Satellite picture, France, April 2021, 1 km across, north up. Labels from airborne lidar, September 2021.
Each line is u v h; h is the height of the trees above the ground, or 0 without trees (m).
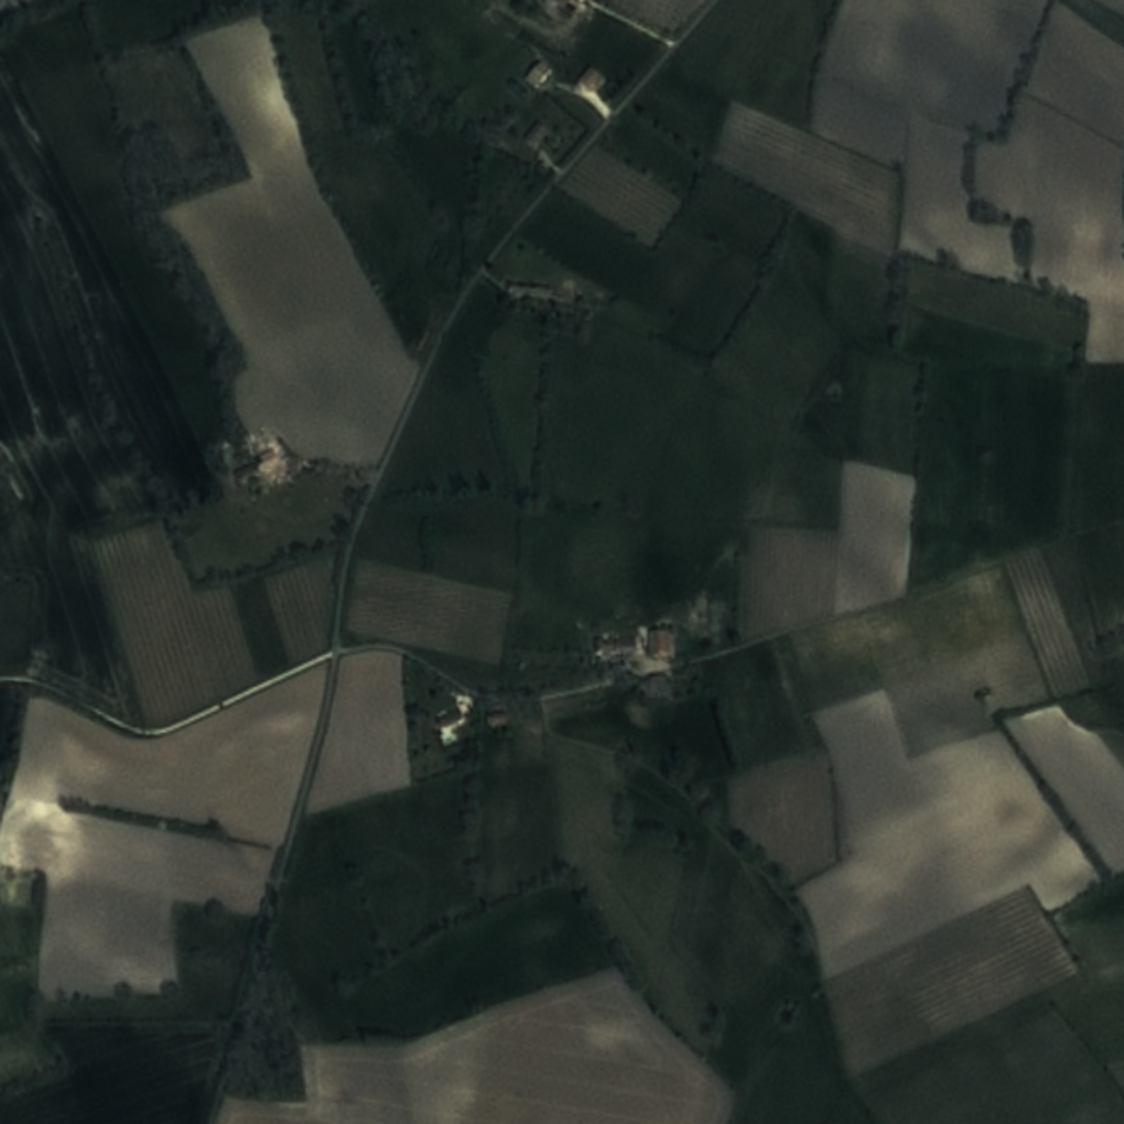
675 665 6
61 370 0
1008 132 13
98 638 0
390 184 0
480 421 0
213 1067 0
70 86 0
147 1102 0
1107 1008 0
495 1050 0
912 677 0
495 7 0
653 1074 0
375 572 0
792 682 0
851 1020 0
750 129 0
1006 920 0
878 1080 0
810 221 0
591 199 0
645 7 0
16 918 0
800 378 0
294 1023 12
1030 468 0
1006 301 0
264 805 0
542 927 0
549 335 6
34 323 0
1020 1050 0
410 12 0
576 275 0
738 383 0
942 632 0
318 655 0
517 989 0
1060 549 0
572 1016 0
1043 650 0
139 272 0
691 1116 0
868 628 0
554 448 0
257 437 0
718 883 0
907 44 0
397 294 0
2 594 0
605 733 0
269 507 0
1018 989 0
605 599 0
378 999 0
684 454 0
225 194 0
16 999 0
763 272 6
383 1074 0
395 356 0
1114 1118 0
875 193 0
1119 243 0
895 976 0
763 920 0
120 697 0
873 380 0
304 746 0
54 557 0
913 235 0
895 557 0
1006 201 0
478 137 16
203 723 0
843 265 0
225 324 14
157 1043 0
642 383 0
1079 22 0
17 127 0
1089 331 0
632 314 0
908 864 0
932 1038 0
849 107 0
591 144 0
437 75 0
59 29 0
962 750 0
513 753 0
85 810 11
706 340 0
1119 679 0
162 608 0
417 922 0
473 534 0
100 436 0
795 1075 0
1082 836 15
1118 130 0
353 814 0
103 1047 0
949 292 0
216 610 0
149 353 0
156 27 0
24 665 0
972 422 0
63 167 0
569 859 0
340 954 0
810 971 0
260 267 0
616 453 0
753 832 0
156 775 0
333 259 0
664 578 0
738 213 0
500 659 0
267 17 15
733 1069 0
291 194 0
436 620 0
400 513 0
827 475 0
